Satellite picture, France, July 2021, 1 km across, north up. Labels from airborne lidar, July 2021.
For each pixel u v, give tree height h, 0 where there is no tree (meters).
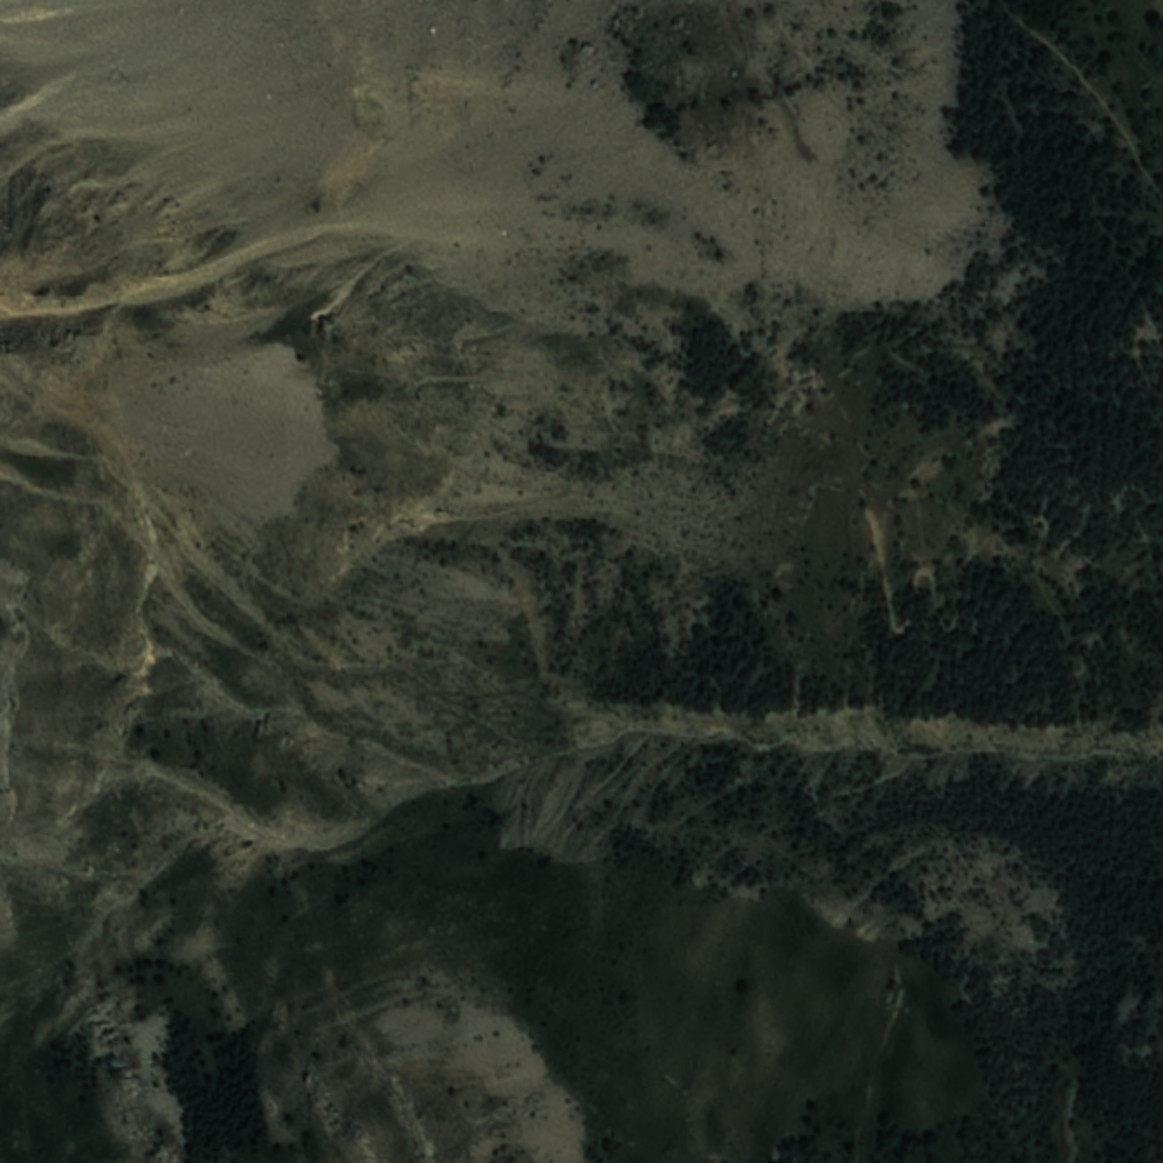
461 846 0
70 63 0
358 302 0
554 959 0
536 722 0
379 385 0
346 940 0
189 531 0
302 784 0
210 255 0
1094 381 8
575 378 0
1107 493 13
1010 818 9
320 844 0
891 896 9
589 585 8
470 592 0
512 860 0
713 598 6
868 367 0
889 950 0
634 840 11
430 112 0
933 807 7
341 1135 0
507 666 0
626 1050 0
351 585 0
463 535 0
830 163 0
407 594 0
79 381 0
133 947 0
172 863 0
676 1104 0
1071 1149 0
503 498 0
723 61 0
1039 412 9
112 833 0
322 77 0
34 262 0
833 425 0
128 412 0
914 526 0
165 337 0
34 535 0
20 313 0
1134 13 0
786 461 0
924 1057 0
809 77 7
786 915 0
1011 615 16
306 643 0
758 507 0
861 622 7
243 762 0
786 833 7
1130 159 7
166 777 0
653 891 0
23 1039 0
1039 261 12
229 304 0
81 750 0
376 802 0
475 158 0
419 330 0
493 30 0
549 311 0
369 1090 0
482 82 0
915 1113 0
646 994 0
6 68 0
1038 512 18
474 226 0
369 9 0
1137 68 0
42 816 0
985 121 23
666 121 10
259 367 0
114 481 0
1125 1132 7
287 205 0
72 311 0
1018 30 6
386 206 0
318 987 0
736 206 0
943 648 12
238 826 0
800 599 0
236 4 0
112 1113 0
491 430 0
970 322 5
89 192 0
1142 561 7
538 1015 0
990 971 10
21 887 0
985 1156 8
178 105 0
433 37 0
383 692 0
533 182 0
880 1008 0
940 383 12
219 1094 12
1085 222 23
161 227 0
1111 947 8
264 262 0
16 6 0
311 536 0
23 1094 0
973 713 13
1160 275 22
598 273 0
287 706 0
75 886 0
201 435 0
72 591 0
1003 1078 12
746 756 9
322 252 0
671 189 0
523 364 0
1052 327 13
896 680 6
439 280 0
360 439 0
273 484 0
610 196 0
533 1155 0
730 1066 0
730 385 10
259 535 0
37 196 0
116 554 0
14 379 0
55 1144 0
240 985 0
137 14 0
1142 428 20
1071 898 9
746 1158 0
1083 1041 6
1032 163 17
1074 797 10
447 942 0
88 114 0
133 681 0
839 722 0
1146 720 8
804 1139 13
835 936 0
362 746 0
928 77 0
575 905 0
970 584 7
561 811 0
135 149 0
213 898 0
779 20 0
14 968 0
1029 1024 9
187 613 0
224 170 0
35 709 0
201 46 0
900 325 8
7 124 0
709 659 7
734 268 0
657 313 0
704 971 0
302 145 0
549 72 0
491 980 0
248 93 0
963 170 0
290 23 0
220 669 0
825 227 0
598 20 0
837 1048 0
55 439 0
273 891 11
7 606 0
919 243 0
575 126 0
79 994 0
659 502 0
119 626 0
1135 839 8
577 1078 0
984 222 0
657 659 8
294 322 0
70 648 0
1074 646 8
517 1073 0
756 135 0
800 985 0
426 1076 0
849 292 0
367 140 0
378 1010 0
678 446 0
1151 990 9
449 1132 0
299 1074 0
